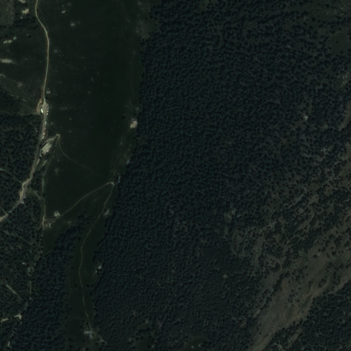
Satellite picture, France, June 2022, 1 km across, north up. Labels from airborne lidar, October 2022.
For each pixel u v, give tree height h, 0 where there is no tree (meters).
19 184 12
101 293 13
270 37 22
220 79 7
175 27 16
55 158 0
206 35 6
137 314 14
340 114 13
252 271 6
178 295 20
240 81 22
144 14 0
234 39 18
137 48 0
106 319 17
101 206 0
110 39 0
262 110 15
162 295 19
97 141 0
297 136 10
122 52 0
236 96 19
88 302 0
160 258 18
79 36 0
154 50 26
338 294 12
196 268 11
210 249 16
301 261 0
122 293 15
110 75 0
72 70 0
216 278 17
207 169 19
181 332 14
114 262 19
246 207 9
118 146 0
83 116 0
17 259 29
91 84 0
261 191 13
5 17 0
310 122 14
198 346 0
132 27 0
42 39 0
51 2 0
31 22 6
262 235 7
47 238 0
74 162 0
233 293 18
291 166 11
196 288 22
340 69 7
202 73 13
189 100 16
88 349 17
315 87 14
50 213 0
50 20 0
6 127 7
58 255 15
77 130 0
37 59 0
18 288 10
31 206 20
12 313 8
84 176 0
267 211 8
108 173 0
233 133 19
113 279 19
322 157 9
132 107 0
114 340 17
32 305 25
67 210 0
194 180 22
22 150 20
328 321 12
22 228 18
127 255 22
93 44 0
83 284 0
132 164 8
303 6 18
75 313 0
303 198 8
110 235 15
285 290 0
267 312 0
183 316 17
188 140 15
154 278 17
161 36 18
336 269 10
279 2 22
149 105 11
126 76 0
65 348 8
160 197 18
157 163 8
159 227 22
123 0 0
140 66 0
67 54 0
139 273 18
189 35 17
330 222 10
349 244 14
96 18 0
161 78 13
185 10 10
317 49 11
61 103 0
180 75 25
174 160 14
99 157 0
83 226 8
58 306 28
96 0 0
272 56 21
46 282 14
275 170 8
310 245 11
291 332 10
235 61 23
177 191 17
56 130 0
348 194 13
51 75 0
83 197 0
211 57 7
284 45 16
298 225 9
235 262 14
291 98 15
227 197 6
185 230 14
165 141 16
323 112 15
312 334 11
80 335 0
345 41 0
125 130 0
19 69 0
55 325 15
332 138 11
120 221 15
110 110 0
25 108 0
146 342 0
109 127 0
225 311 20
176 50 21
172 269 16
